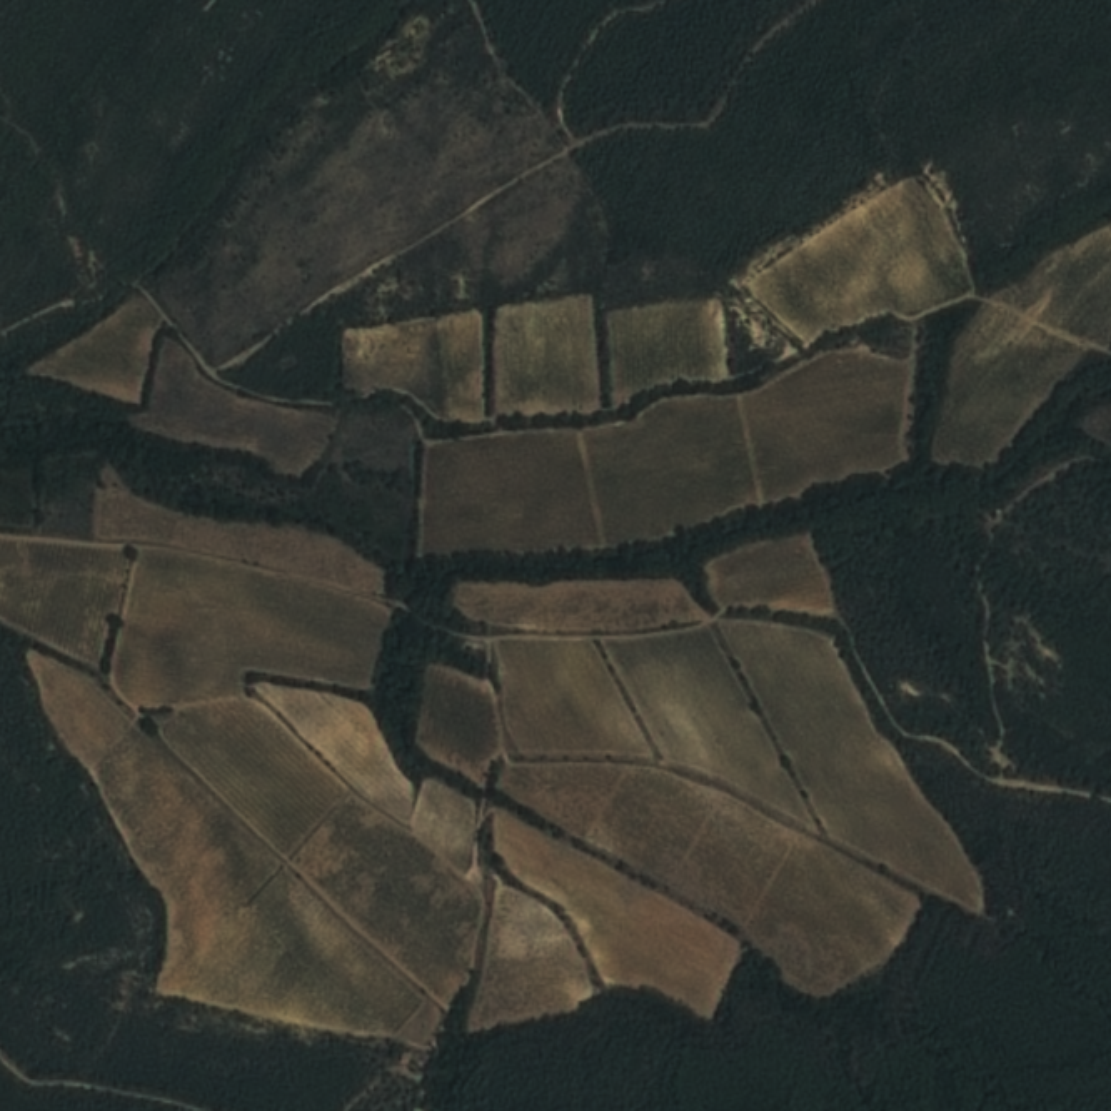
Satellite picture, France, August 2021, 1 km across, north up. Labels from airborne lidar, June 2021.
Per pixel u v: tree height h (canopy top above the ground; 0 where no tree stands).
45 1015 6
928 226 0
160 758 0
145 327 0
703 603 9
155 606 0
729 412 0
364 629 0
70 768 7
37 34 6
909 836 0
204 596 0
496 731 0
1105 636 8
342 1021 0
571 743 0
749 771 0
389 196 0
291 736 0
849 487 10
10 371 11
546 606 0
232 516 19
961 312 6
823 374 0
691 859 0
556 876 0
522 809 9
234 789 0
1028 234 8
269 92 11
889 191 0
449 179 0
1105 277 0
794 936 0
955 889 0
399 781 0
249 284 0
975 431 0
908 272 0
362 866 0
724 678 0
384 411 10
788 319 0
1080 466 8
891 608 6
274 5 5
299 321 6
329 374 10
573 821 0
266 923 0
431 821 0
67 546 0
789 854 0
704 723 0
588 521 0
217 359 0
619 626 0
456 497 0
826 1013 8
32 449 12
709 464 0
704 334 0
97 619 0
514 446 0
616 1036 6
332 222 0
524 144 0
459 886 0
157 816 0
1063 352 0
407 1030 0
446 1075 10
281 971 0
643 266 0
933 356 10
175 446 7
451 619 9
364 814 0
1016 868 12
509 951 0
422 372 0
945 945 9
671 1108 9
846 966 0
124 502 0
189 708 0
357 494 0
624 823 0
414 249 0
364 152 0
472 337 0
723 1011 7
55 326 6
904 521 12
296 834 0
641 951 0
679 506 0
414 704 13
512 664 0
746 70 6
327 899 0
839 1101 6
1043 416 13
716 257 6
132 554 11
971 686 6
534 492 0
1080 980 7
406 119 0
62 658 7
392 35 8
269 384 6
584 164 8
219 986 0
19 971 8
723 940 0
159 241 11
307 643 0
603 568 12
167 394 0
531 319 0
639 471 0
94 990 5
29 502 0
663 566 13
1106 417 0
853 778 0
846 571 6
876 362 0
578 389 0
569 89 6
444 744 0
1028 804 7
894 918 0
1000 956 14
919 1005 12
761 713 13
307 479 9
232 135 11
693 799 0
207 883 0
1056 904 6
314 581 0
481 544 0
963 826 6
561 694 0
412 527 7
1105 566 5
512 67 7
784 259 0
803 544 0
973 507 9
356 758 0
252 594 0
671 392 7
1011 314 0
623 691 0
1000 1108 7
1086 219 10
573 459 0
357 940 0
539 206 0
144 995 7
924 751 11
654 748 0
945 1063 10
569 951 0
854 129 7
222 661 0
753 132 5
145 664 0
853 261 0
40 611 0
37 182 6
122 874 6
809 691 0
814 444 0
